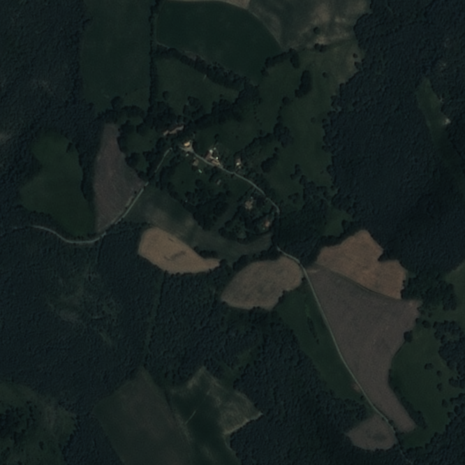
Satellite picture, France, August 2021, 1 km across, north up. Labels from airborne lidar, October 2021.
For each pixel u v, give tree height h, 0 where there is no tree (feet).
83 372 46
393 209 42
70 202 0
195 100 48
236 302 0
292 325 0
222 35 0
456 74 33
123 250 30
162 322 21
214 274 42
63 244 28
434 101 0
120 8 0
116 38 0
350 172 69
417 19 20
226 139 0
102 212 0
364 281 0
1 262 29
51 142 0
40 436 0
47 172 0
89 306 18
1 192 44
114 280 36
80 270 19
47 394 37
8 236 41
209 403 0
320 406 59
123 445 0
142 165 0
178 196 48
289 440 48
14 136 19
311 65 0
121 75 0
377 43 51
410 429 0
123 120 0
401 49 54
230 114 61
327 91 0
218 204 42
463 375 35
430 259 62
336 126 57
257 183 36
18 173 80
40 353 51
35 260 33
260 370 37
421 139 50
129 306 30
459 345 59
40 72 24
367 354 0
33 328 38
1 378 52
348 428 39
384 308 0
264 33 0
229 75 33
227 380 0
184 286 36
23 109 32
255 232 48
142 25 0
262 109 0
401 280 0
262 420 42
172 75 0
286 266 0
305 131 0
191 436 0
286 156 0
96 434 33
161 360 30
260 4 0
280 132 65
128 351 34
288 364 55
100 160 0
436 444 52
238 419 0
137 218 0
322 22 0
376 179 46
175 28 0
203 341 35
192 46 0
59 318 25
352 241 0
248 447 45
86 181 62
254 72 0
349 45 0
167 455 0
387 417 20
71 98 63
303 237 59
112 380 45
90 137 65
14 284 31
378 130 66
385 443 0
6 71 41
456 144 74
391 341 0
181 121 36
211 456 0
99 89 0
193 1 0
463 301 0
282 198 0
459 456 77
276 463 49
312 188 53
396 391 26
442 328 45
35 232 35
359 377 0
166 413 0
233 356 45
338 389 0
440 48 22
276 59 43
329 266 0
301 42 0
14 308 25
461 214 63
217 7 0
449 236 62
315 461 52
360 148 65
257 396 53
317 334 21
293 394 41
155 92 55
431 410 0
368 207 44
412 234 82
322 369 0
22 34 43
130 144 0
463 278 0
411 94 42
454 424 49
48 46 43
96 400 38
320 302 0
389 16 63
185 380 24
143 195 0
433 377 0
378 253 0
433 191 59
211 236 0
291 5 0
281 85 0
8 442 0
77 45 62
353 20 0
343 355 0
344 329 0
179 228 0
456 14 65
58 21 46
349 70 0
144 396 0
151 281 25
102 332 31
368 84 44
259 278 0
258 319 39
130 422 0
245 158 41
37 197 0
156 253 0
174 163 38
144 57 0
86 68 0
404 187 46
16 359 56
